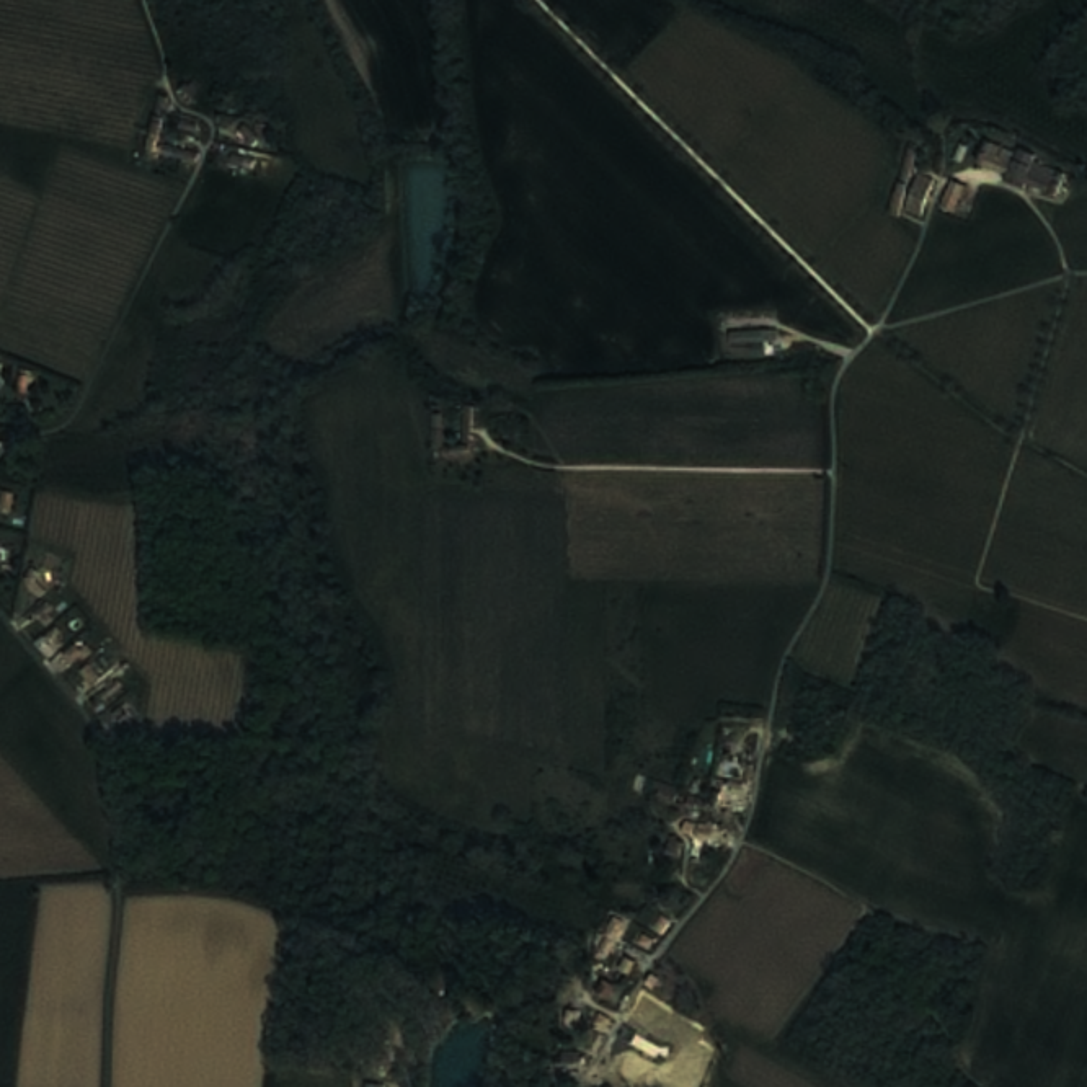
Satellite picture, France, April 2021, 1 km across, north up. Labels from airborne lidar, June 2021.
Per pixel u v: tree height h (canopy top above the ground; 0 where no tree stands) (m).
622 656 0
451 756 0
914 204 0
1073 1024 0
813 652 0
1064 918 0
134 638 0
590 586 0
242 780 26
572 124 0
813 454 0
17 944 0
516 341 0
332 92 0
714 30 0
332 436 0
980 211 0
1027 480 0
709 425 0
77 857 0
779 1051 0
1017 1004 0
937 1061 14
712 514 0
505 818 15
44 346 0
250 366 6
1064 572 0
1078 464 0
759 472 0
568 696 0
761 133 0
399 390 0
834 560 0
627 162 0
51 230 0
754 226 8
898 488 0
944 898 0
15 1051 0
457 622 0
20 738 0
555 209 0
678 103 0
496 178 0
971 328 0
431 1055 22
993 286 0
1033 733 0
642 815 10
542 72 0
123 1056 0
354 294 0
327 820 17
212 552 25
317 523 12
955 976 9
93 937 0
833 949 0
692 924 0
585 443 0
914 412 0
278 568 25
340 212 11
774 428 0
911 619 13
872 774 0
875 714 14
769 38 7
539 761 0
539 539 0
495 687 0
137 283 0
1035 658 0
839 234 0
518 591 0
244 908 0
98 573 0
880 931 14
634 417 0
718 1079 0
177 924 0
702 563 0
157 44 0
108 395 0
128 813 26
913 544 0
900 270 0
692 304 0
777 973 0
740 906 0
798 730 7
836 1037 16
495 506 0
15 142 0
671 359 0
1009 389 0
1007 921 0
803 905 0
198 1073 0
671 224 0
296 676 22
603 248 0
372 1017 23
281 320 0
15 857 0
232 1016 0
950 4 10
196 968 0
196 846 27
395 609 0
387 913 21
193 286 0
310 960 23
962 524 0
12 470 11
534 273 0
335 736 22
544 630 0
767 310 0
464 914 6
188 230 0
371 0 0
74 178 0
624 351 0
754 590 0
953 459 0
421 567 0
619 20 0
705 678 0
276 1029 16
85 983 0
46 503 0
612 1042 0
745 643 0
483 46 0
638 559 0
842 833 0
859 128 0
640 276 0
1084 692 0
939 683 19
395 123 0
